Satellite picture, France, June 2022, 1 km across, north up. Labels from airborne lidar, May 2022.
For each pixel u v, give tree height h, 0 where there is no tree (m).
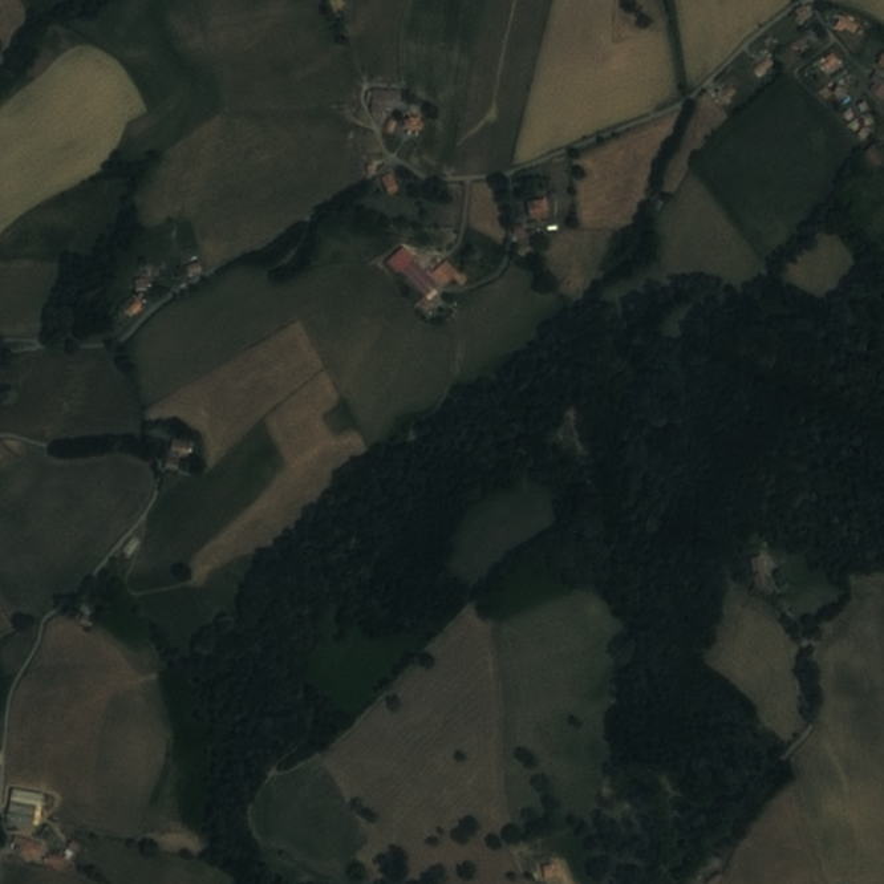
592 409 18
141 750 0
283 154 0
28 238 0
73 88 0
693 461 23
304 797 0
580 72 0
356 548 11
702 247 0
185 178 0
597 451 24
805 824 0
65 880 0
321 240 0
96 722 0
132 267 0
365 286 0
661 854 29
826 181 0
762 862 0
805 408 18
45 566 0
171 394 0
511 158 0
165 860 0
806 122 0
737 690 12
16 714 0
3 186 0
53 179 0
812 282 0
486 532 0
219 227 0
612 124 0
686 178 0
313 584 22
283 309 0
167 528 0
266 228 0
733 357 10
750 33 0
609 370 25
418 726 0
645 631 29
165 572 0
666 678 23
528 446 25
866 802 0
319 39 0
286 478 0
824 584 0
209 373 0
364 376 0
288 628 22
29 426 0
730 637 0
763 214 0
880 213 0
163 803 0
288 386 0
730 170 0
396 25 0
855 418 9
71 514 0
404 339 0
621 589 30
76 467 0
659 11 0
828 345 25
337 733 22
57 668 0
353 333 0
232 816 25
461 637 0
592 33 0
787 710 0
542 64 0
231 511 0
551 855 0
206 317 0
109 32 0
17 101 0
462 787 0
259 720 25
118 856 0
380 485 13
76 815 0
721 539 21
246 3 0
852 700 0
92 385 0
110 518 0
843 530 25
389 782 0
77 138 0
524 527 0
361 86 0
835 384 27
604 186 0
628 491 36
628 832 18
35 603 0
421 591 7
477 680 0
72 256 15
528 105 0
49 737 0
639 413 34
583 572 25
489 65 0
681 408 23
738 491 19
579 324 25
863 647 0
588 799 0
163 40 0
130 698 0
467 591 10
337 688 0
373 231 0
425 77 0
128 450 17
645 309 23
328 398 0
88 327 23
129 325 0
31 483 0
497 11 0
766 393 32
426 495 20
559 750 0
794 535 13
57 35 0
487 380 6
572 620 0
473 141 0
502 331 0
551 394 25
